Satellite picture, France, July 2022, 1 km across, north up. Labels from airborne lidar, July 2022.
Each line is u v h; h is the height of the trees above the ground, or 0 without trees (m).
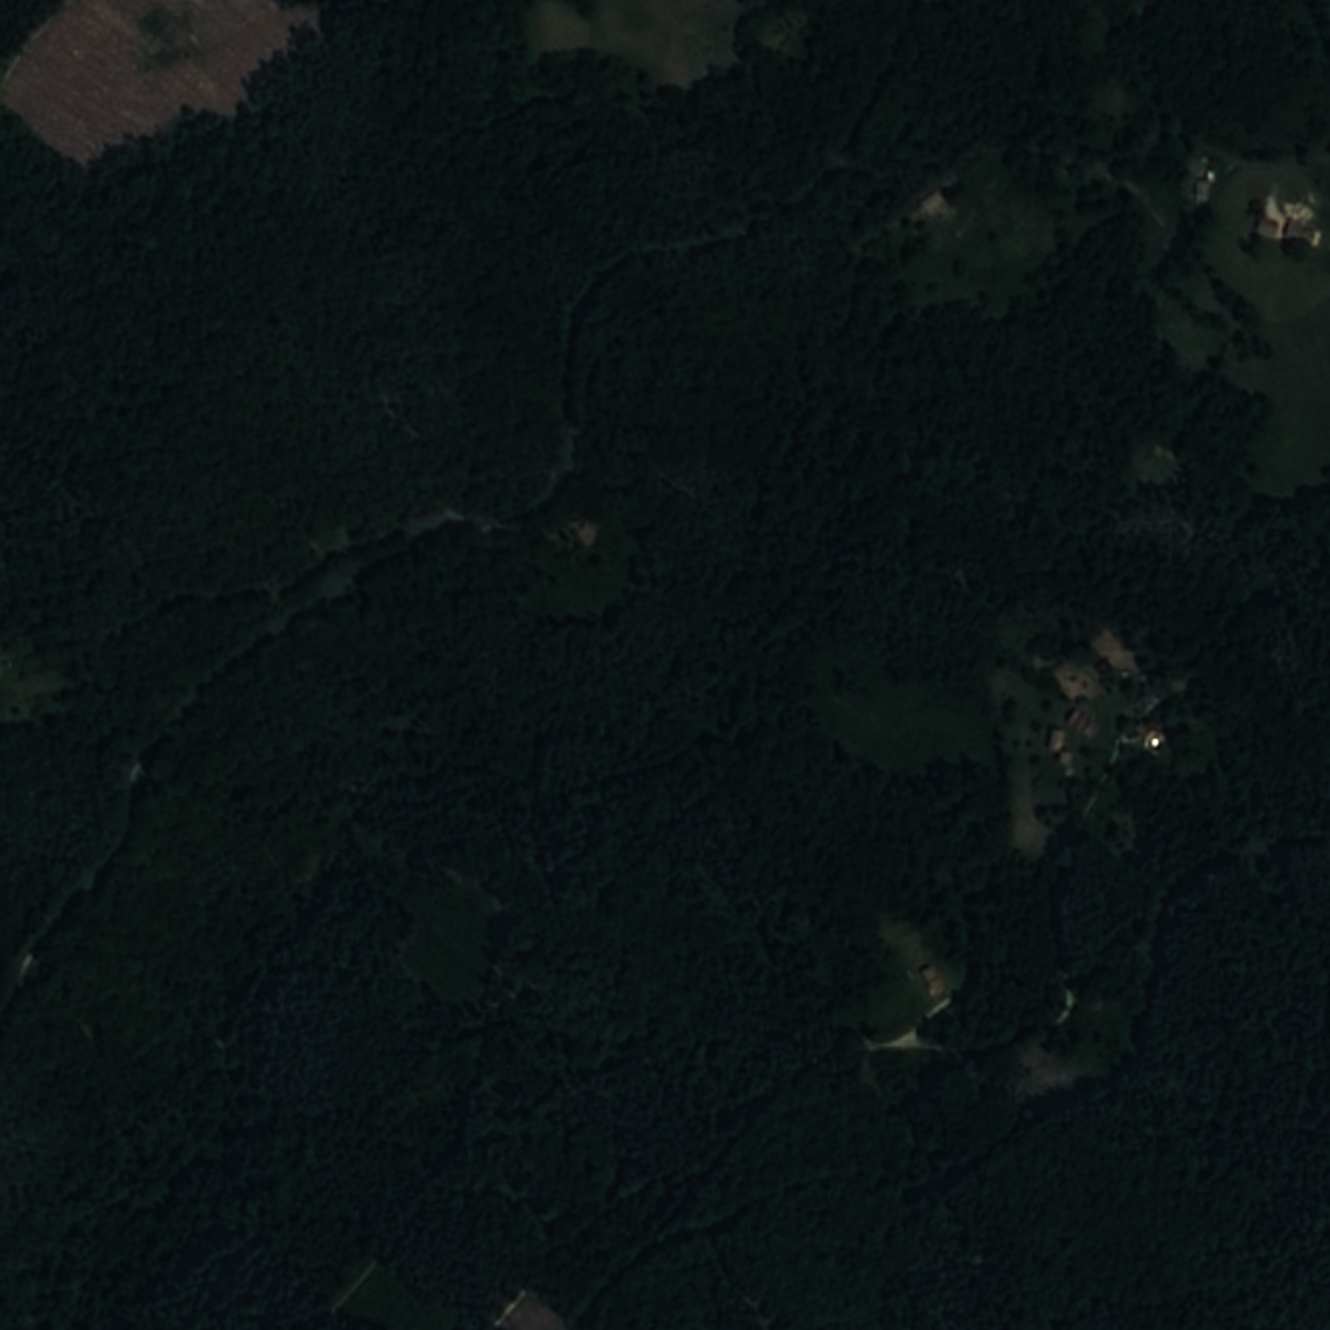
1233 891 31
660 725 28
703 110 19
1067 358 26
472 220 28
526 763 7
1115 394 21
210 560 17
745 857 24
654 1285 23
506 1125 32
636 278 26
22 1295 28
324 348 23
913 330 20
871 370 18
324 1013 16
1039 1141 24
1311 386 0
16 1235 22
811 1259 20
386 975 24
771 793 20
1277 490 0
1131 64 12
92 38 0
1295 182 0
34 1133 26
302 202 18
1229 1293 25
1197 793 19
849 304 16
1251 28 15
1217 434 23
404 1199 27
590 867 22
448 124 27
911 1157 30
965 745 0
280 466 25
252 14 0
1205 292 0
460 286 24
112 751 31
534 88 7
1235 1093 28
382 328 28
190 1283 33
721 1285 20
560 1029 27
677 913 29
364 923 28
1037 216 0
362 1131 24
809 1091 27
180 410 19
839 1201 24
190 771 26
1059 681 8
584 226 29
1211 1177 26
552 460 19
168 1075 21
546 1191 28
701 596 26
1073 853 26
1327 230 0
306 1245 17
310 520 26
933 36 25
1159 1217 25
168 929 29
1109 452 17
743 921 7
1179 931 30
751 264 26
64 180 19
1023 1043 19
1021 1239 29
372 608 28
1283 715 29
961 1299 27
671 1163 28
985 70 19
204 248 19
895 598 24
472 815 9
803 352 29
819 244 23
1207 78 20
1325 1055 24
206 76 0
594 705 23
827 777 20
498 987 10
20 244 23
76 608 22
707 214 22
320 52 22
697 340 31
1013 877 9
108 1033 27
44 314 16
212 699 26
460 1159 28
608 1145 31
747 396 26
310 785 29
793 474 29
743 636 27
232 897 22
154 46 0
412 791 27
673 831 27
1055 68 23
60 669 8
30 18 28
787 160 23
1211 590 29
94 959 27
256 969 12
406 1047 20
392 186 20
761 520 20
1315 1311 20
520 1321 0
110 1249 8
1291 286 0
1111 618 15
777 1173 31
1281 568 31
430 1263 30
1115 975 24
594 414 23
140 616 21
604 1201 23
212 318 20
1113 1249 23
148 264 20
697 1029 25
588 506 19
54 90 0
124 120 0
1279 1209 18
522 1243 33
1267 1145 29
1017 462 26
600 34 0
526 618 23
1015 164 17
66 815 28
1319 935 28
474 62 30
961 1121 31
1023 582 20
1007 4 20
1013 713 13
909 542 19
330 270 21
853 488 30
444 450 25
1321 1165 26
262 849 27
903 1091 8
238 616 26
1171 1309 28
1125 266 9
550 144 21
